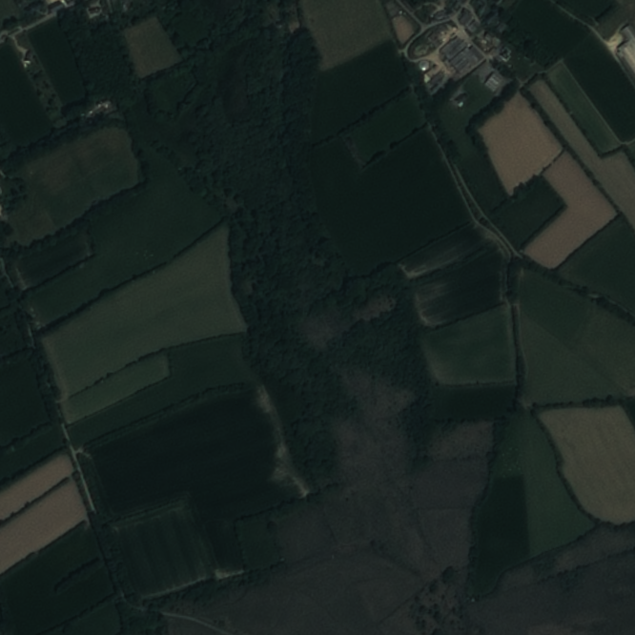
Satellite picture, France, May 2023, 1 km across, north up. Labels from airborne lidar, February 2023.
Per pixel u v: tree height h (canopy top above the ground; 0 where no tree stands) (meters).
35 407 0
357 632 0
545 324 0
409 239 0
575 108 0
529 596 0
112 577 13
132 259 0
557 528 0
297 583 0
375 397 0
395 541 0
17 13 0
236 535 7
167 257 0
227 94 0
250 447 0
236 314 0
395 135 0
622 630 0
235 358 0
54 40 0
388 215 0
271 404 0
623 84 0
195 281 0
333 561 0
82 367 0
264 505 0
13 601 0
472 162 0
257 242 16
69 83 0
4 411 0
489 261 0
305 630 0
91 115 0
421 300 0
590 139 6
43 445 0
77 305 0
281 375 9
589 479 0
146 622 12
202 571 0
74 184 0
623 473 0
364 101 0
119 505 0
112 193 0
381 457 0
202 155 10
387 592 0
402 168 0
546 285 0
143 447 0
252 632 0
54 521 0
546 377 0
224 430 0
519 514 0
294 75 23
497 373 0
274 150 15
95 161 0
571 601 0
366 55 0
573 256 7
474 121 14
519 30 8
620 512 0
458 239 0
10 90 0
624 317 14
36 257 0
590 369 0
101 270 0
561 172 0
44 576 0
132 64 12
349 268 9
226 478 0
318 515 0
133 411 0
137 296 0
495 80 0
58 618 0
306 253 8
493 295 0
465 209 0
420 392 9
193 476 0
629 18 0
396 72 0
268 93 12
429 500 0
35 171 0
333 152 0
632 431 0
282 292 11
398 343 7
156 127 0
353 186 0
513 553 0
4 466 0
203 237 7
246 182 8
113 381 0
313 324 0
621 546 0
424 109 13
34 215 0
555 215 6
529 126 0
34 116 0
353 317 7
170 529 0
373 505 0
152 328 0
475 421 7
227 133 10
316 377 10
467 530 0
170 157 13
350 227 0
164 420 0
